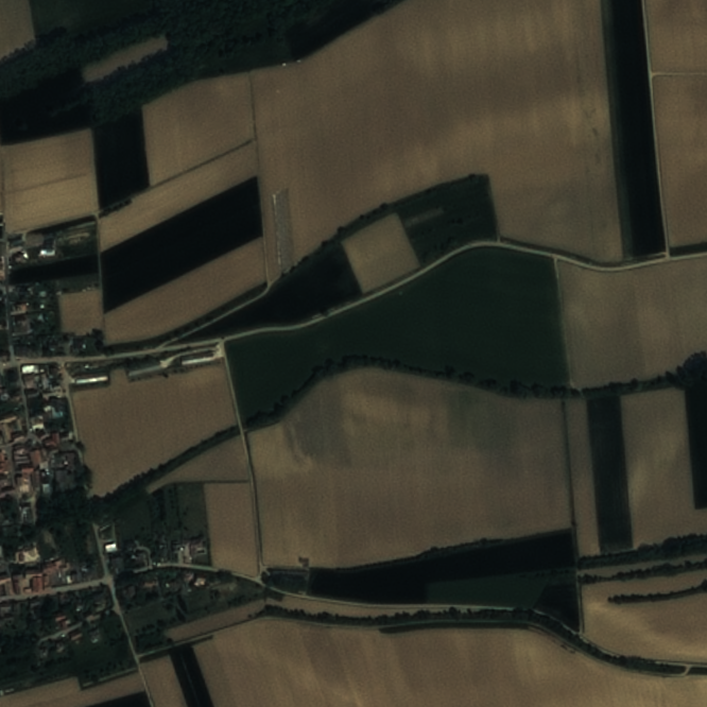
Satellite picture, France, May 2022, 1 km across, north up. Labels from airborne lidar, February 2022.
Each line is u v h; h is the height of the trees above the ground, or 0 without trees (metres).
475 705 0
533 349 0
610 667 0
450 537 0
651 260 0
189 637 0
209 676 0
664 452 0
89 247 0
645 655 0
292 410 0
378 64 0
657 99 0
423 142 0
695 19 0
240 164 0
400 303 0
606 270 0
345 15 0
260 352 0
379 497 0
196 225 0
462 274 0
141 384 0
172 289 0
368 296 0
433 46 0
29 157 0
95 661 0
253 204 0
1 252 0
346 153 0
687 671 0
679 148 0
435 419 0
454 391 0
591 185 0
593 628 0
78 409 0
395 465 0
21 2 0
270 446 0
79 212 0
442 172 0
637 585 0
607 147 0
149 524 0
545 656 0
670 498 0
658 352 0
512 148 0
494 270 0
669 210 0
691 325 0
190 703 0
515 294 0
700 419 0
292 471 0
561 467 0
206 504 0
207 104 0
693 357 0
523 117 0
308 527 0
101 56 13
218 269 0
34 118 0
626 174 0
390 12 0
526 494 0
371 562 0
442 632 0
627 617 0
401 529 0
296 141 0
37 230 0
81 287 0
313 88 0
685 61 0
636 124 0
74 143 0
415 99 0
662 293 0
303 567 0
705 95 0
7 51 0
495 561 0
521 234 0
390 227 0
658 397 0
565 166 0
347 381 0
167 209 0
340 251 0
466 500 0
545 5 0
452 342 0
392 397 0
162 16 20
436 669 0
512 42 0
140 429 0
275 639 0
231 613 0
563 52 0
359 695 0
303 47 0
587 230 0
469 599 0
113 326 0
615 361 0
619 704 0
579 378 0
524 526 0
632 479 0
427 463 0
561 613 0
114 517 0
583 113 0
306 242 0
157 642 7
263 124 0
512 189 0
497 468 0
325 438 0
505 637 0
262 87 0
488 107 0
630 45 0
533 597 0
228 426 0
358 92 0
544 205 0
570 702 0
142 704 0
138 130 0
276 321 0
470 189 0
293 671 0
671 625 0
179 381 0
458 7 0
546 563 0
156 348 0
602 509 0
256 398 0
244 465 0
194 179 0
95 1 0
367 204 0
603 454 0
